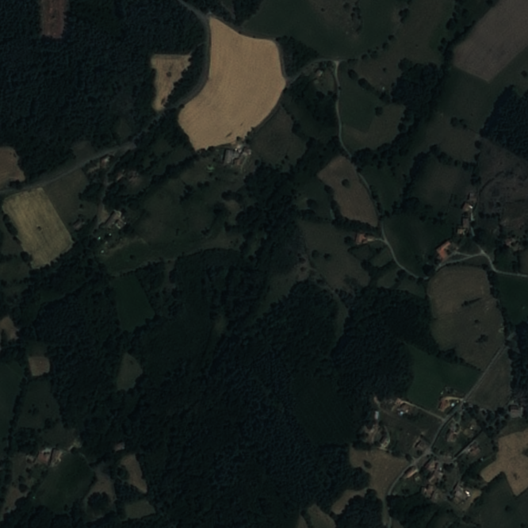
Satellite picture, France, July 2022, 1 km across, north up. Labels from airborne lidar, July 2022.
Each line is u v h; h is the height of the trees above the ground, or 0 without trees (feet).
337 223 53
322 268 0
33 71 97
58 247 0
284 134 0
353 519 61
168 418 35
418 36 0
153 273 53
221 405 98
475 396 0
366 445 42
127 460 0
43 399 0
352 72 52
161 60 0
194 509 26
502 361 0
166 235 0
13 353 52
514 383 47
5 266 0
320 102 18
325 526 0
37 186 0
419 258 25
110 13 22
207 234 59
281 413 58
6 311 63
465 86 0
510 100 81
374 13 0
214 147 20
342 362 83
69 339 62
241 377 101
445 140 0
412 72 31
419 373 0
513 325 48
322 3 0
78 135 51
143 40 76
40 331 76
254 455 36
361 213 0
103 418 72
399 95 67
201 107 0
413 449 0
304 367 55
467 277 0
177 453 38
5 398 0
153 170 22
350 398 21
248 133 23
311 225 0
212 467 42
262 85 0
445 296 0
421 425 0
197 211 0
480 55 0
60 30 0
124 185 42
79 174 0
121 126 0
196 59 48
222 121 0
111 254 0
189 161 62
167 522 52
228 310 35
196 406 102
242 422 88
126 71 73
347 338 71
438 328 0
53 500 0
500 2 0
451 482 0
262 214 78
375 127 0
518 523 0
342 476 58
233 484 40
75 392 71
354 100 0
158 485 35
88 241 44
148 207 0
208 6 41
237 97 0
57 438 0
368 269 50
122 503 50
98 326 17
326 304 36
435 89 80
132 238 0
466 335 0
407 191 53
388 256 0
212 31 0
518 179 0
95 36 68
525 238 32
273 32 0
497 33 0
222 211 52
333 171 0
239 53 0
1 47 83
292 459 109
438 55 0
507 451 0
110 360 62
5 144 42
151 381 47
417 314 52
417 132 32
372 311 62
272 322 65
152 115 19
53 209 0
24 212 0
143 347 74
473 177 31
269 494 18
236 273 85
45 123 69
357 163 65
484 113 0
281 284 0
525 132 93
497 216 34
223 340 56
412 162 0
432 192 0
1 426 0
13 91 100
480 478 50
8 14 71
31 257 36
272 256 34
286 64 0
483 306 0
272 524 49
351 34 0
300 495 94
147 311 0
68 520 68
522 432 0
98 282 66
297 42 22
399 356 47
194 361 21
